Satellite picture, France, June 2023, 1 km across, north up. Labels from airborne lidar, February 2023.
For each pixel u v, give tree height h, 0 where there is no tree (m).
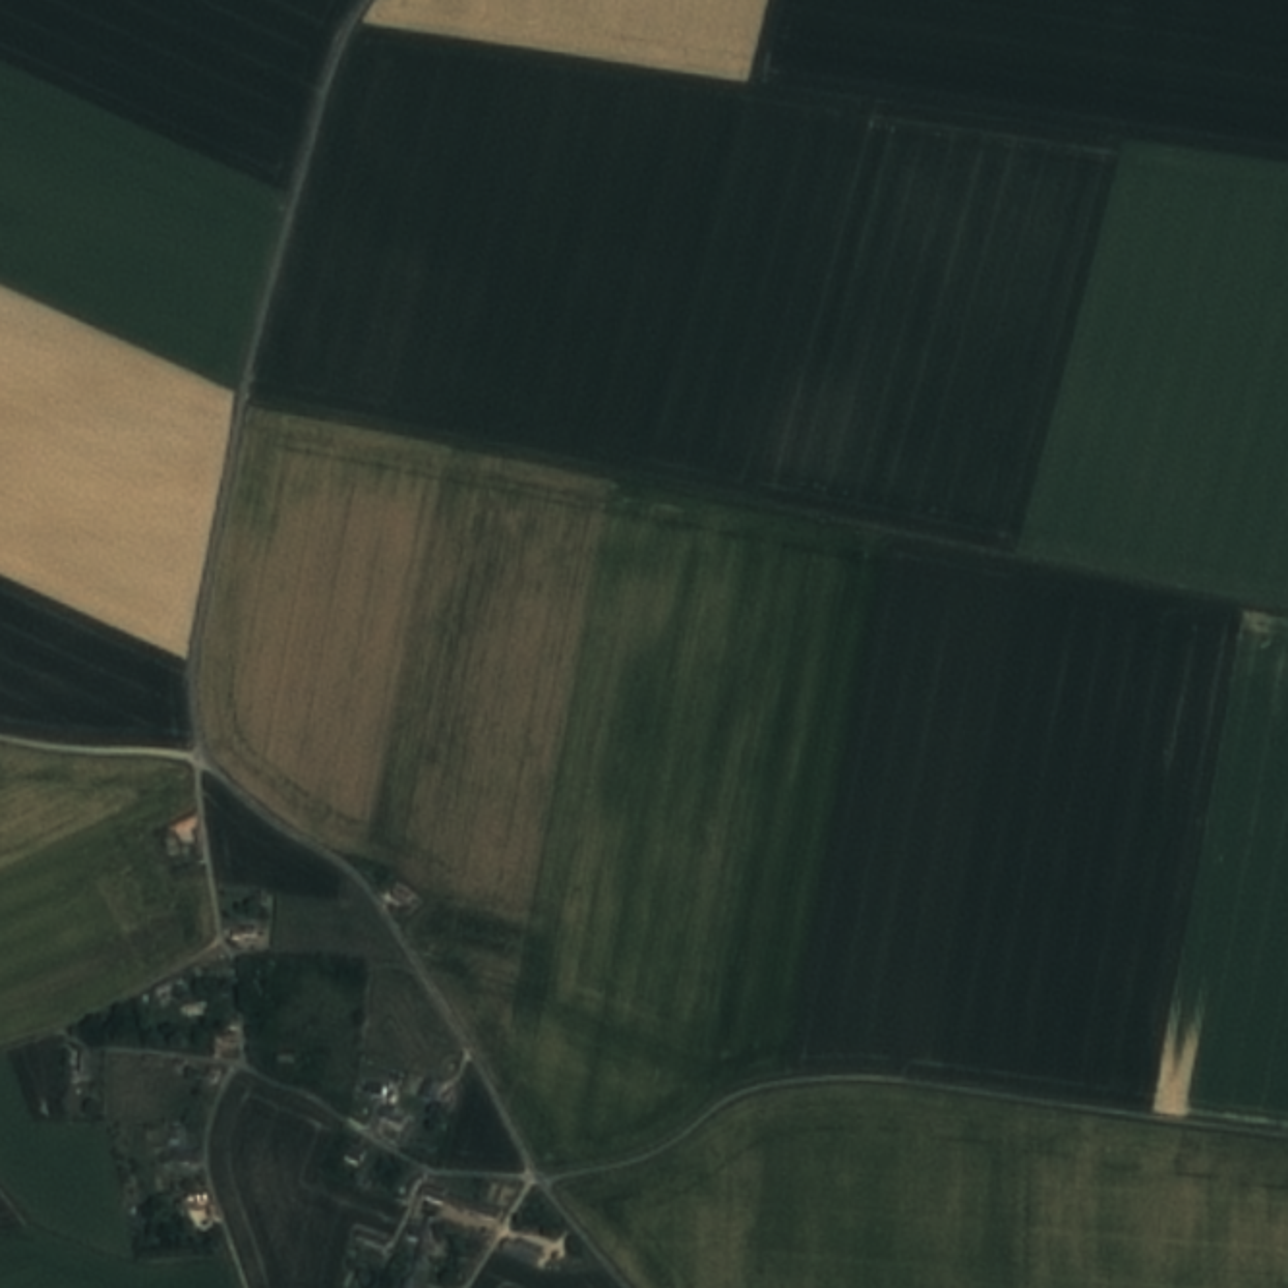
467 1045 0
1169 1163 0
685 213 0
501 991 0
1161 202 0
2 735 0
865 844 0
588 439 0
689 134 0
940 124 0
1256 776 0
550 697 0
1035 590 0
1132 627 0
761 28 0
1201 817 0
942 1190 0
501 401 0
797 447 0
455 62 0
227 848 0
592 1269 0
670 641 0
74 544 0
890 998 0
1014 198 0
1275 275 0
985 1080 0
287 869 0
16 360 0
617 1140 0
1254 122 0
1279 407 0
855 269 0
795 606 0
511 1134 0
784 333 0
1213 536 0
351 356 0
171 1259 13
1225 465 0
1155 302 0
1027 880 0
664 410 0
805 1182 0
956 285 0
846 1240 0
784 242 0
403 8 0
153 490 0
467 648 0
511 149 0
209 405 0
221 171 0
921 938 0
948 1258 0
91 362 0
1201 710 0
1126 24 0
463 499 0
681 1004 0
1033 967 0
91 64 0
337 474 0
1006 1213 0
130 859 0
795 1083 0
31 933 0
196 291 0
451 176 0
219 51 0
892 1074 0
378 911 0
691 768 0
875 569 0
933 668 0
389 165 0
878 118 0
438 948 0
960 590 0
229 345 0
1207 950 0
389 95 0
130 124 0
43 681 0
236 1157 0
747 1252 0
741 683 0
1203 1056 0
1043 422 0
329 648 0
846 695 0
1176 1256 0
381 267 0
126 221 0
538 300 0
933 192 0
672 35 0
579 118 0
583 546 0
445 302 0
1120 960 0
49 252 0
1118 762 0
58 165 0
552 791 0
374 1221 0
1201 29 0
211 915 0
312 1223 0
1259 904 0
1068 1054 0
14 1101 0
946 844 0
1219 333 0
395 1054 0
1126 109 0
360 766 0
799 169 0
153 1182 0
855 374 0
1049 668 0
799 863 0
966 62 0
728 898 0
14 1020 0
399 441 0
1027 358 0
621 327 0
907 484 0
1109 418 0
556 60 0
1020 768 0
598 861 0
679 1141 0
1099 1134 0
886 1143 0
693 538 0
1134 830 0
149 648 0
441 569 0
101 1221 0
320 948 0
